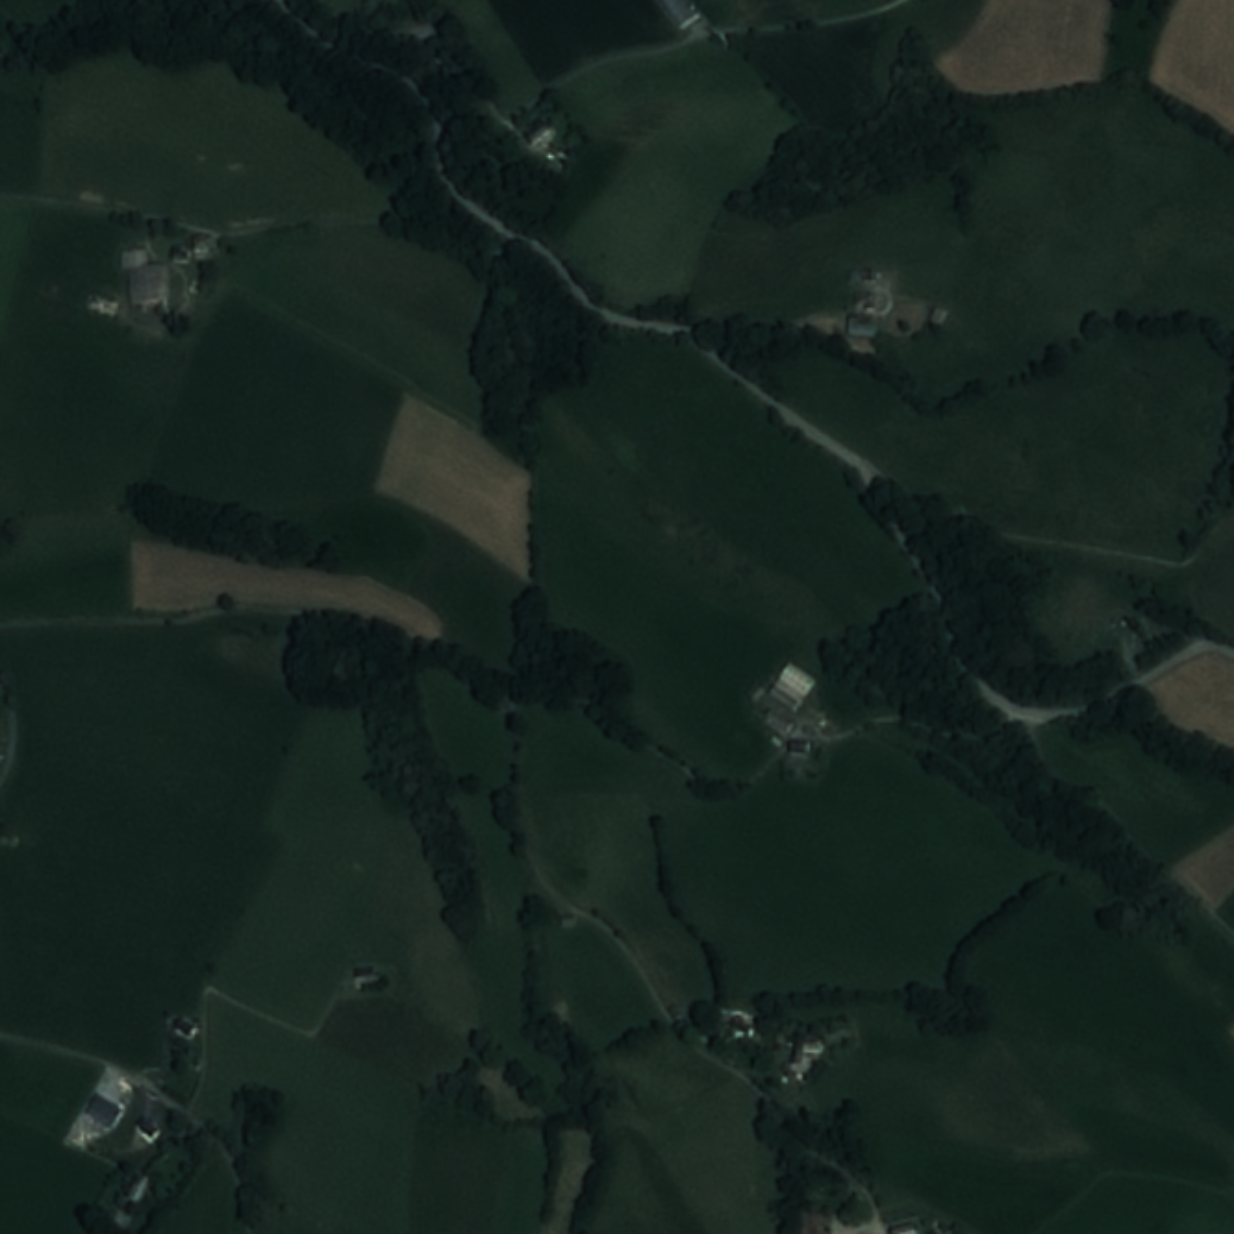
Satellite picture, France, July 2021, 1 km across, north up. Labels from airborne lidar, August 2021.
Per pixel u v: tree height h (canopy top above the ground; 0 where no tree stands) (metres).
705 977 0
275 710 0
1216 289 0
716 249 0
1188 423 0
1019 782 17
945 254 0
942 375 0
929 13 0
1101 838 28
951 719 22
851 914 0
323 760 0
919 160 19
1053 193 0
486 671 22
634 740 17
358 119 22
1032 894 18
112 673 0
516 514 0
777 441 0
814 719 0
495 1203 0
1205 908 14
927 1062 0
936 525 34
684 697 0
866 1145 10
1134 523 0
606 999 0
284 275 0
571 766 0
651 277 0
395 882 0
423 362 0
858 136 14
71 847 0
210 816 0
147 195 0
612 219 0
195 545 19
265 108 0
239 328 0
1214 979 0
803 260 0
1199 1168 0
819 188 18
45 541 0
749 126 0
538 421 22
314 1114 0
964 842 0
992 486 0
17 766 0
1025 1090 0
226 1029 0
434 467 0
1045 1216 0
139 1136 0
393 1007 0
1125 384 0
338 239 0
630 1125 0
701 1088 0
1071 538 0
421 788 18
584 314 21
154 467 0
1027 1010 0
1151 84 9
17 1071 0
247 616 0
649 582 0
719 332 18
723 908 0
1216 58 0
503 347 24
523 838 17
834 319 0
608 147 0
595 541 0
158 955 0
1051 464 0
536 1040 9
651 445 0
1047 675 26
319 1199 0
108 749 0
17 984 0
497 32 0
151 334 0
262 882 0
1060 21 0
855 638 10
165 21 12
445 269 0
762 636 0
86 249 0
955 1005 18
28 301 0
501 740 0
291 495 0
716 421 0
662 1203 0
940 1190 0
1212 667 0
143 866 0
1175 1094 0
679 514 0
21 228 0
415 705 16
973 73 0
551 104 16
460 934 14
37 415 0
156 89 0
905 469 0
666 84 0
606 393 0
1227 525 0
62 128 0
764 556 0
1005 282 0
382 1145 0
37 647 0
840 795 0
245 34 15
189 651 0
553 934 0
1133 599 0
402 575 0
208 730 0
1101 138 0
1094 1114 0
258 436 0
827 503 0
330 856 0
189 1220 0
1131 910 21
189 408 0
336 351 0
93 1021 0
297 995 0
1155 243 0
